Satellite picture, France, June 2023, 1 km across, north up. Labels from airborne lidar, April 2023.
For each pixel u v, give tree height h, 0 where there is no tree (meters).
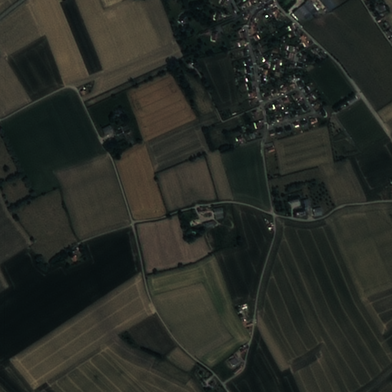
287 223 0
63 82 0
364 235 0
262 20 0
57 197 0
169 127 0
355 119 0
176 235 0
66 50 0
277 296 0
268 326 0
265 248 0
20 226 0
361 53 0
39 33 0
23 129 0
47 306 0
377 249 0
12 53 0
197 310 0
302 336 0
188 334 0
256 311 0
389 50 0
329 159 0
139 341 0
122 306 0
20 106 0
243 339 0
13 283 0
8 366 0
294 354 0
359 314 0
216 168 0
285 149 0
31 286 0
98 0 0
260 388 0
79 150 0
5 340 0
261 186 0
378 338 0
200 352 0
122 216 0
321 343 0
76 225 0
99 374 0
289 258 0
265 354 0
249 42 0
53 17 0
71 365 0
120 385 0
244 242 0
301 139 0
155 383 0
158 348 0
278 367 0
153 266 0
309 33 0
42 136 0
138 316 0
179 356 0
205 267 0
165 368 0
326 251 0
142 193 0
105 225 0
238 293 0
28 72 0
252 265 0
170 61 22
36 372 0
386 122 0
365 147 0
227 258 0
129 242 0
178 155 0
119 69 0
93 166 0
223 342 0
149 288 0
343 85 0
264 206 0
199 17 8
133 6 0
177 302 0
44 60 0
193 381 0
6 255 0
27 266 0
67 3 0
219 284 0
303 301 0
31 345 0
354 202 0
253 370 0
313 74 0
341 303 0
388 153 0
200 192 0
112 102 0
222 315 0
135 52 0
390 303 0
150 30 0
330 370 0
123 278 0
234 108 0
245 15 0
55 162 0
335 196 0
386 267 0
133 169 0
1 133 13
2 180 13
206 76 0
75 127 0
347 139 0
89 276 0
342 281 0
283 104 0
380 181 0
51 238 0
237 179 0
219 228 0
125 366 0
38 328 0
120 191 0
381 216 0
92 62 0
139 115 0
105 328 0
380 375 0
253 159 0
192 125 0
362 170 0
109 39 0
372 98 0
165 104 0
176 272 0
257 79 0
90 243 0
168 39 0
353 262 0
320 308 0
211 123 0
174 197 0
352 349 0
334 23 0
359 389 0
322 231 0
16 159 15
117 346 0
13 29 0
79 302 0
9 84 0
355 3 0
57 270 0
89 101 0
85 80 0
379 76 0
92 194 0
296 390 0
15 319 0
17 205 12
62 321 0
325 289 0
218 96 0
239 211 0
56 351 0
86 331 0
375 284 0
